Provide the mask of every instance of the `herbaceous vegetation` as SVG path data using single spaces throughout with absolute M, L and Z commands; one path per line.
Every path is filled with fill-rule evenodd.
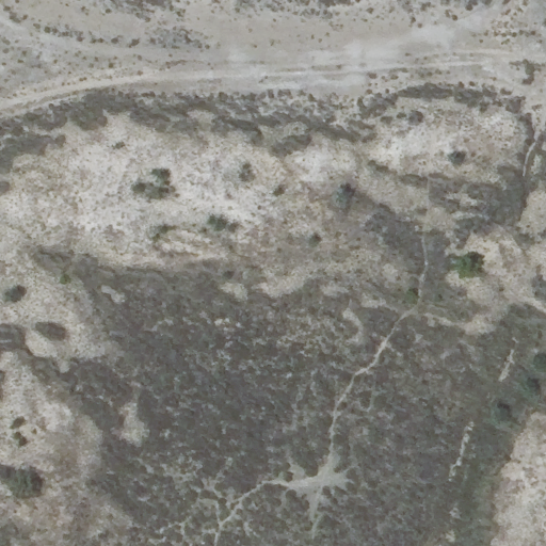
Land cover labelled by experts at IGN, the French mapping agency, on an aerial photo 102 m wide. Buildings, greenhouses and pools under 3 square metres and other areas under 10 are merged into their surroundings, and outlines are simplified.
M 422 21 L 416 19 L 416 15 L 433 9 L 439 2 L 456 2 L 459 6 L 473 11 L 478 4 L 488 6 L 493 0 L 397 0 L 407 13 L 410 23 L 414 28 L 424 28 Z
M 546 303 L 546 279 L 544 279 L 544 277 L 533 277 L 533 279 L 531 279 L 531 288 L 533 288 L 533 294 L 535 294 L 535 296 L 537 296 L 540 301 L 544 301 L 544 303 Z
M 156 13 L 158 6 L 177 17 L 183 17 L 186 11 L 175 6 L 173 0 L 102 0 L 105 13 L 132 13 L 143 21 L 149 21 L 151 13 Z
M 493 115 L 499 109 L 510 111 L 514 119 L 525 126 L 527 134 L 518 151 L 518 166 L 499 166 L 499 179 L 495 183 L 476 183 L 465 177 L 448 177 L 444 173 L 401 173 L 397 168 L 390 168 L 388 164 L 373 160 L 369 154 L 378 143 L 378 130 L 371 124 L 367 124 L 367 117 L 378 117 L 386 126 L 399 119 L 422 124 L 420 111 L 399 113 L 392 117 L 388 115 L 386 109 L 395 107 L 401 98 L 452 98 L 486 115 Z M 213 132 L 220 137 L 226 137 L 228 132 L 237 130 L 245 132 L 250 145 L 275 156 L 284 171 L 284 179 L 273 192 L 273 207 L 279 207 L 282 220 L 264 218 L 262 224 L 256 224 L 250 230 L 247 243 L 232 241 L 232 235 L 239 230 L 239 222 L 226 220 L 222 215 L 211 215 L 205 224 L 179 222 L 156 226 L 151 237 L 151 250 L 160 258 L 164 258 L 162 267 L 113 267 L 100 262 L 100 258 L 96 258 L 94 254 L 55 252 L 53 247 L 43 245 L 21 245 L 17 250 L 15 260 L 0 260 L 0 546 L 491 546 L 501 529 L 497 523 L 495 495 L 503 480 L 503 469 L 495 465 L 491 473 L 484 476 L 480 471 L 478 459 L 465 459 L 465 448 L 473 431 L 473 422 L 469 422 L 467 414 L 461 412 L 461 392 L 467 392 L 467 382 L 463 380 L 465 371 L 480 373 L 484 369 L 480 360 L 480 350 L 476 348 L 478 335 L 495 331 L 493 326 L 503 318 L 510 305 L 514 305 L 505 294 L 501 277 L 484 271 L 480 277 L 461 277 L 456 273 L 461 269 L 461 258 L 465 254 L 471 254 L 467 250 L 469 237 L 486 237 L 488 232 L 493 232 L 495 226 L 503 226 L 505 232 L 518 245 L 533 245 L 533 235 L 523 232 L 520 228 L 520 218 L 527 209 L 531 192 L 546 192 L 546 130 L 540 137 L 535 137 L 531 115 L 523 111 L 525 98 L 516 98 L 510 90 L 495 87 L 465 90 L 465 83 L 431 83 L 399 90 L 388 96 L 375 94 L 371 105 L 365 105 L 363 98 L 358 98 L 358 113 L 352 115 L 352 119 L 348 119 L 346 128 L 333 126 L 335 113 L 346 109 L 346 105 L 339 102 L 337 92 L 326 94 L 324 98 L 316 98 L 307 90 L 267 90 L 256 94 L 222 92 L 218 96 L 200 98 L 181 92 L 128 94 L 113 85 L 87 90 L 83 100 L 55 105 L 53 113 L 45 113 L 43 109 L 38 109 L 34 113 L 15 115 L 9 119 L 0 115 L 0 175 L 13 164 L 17 156 L 45 156 L 47 149 L 64 147 L 66 137 L 51 137 L 53 128 L 75 124 L 81 130 L 98 130 L 107 128 L 109 119 L 119 113 L 128 113 L 134 124 L 151 128 L 154 132 L 164 137 L 177 132 L 190 134 L 198 130 Z M 324 194 L 339 190 L 346 194 L 346 205 L 339 207 L 337 213 L 333 213 L 326 207 Z
M 531 414 L 525 429 L 531 433 L 546 433 L 546 414 Z

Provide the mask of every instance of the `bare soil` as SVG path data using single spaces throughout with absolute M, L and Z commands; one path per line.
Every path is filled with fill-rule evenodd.
M 378 130 L 378 143 L 369 154 L 373 160 L 388 164 L 390 168 L 397 168 L 401 173 L 444 173 L 448 177 L 465 177 L 476 183 L 495 183 L 499 179 L 499 166 L 518 166 L 518 151 L 527 134 L 525 126 L 514 119 L 510 111 L 499 109 L 493 115 L 486 115 L 452 98 L 401 98 L 395 107 L 386 109 L 388 115 L 392 117 L 399 113 L 420 111 L 422 124 L 399 119 L 386 126 L 378 117 L 367 117 L 367 124 L 371 124 Z
M 535 296 L 535 294 L 533 294 L 533 288 L 531 288 L 531 279 L 533 279 L 533 277 L 544 277 L 544 279 L 546 279 L 546 192 L 531 192 L 527 209 L 520 218 L 520 228 L 523 232 L 533 235 L 533 245 L 518 245 L 505 232 L 503 226 L 495 226 L 493 232 L 488 232 L 486 237 L 469 237 L 467 250 L 471 254 L 476 252 L 484 258 L 484 271 L 501 277 L 505 294 L 514 305 L 527 303 L 537 311 L 546 314 L 546 303 L 544 303 L 544 301 L 540 301 L 537 296 Z
M 239 230 L 232 235 L 232 241 L 247 243 L 250 230 L 256 224 L 262 224 L 264 218 L 282 220 L 279 207 L 273 207 L 273 192 L 284 179 L 284 171 L 275 156 L 250 145 L 245 132 L 237 130 L 228 132 L 226 137 L 220 137 L 213 132 L 198 130 L 190 134 L 177 132 L 164 137 L 154 132 L 151 128 L 134 124 L 128 113 L 119 113 L 109 119 L 107 128 L 98 130 L 81 130 L 75 124 L 53 128 L 51 137 L 66 137 L 64 147 L 47 149 L 45 156 L 17 156 L 13 164 L 0 175 L 0 260 L 15 260 L 17 250 L 21 245 L 43 245 L 53 247 L 55 252 L 94 254 L 96 258 L 100 258 L 100 262 L 113 267 L 162 267 L 164 258 L 160 258 L 151 250 L 151 237 L 156 226 L 179 222 L 205 224 L 211 215 L 222 215 L 226 220 L 239 222 Z M 154 168 L 166 168 L 171 173 L 171 183 L 177 188 L 162 200 L 147 200 L 132 192 L 137 181 L 158 186 L 160 179 L 154 175 Z
M 43 109 L 45 113 L 53 113 L 55 105 L 83 100 L 87 90 L 113 85 L 128 94 L 181 92 L 200 98 L 218 96 L 222 92 L 256 94 L 267 90 L 307 90 L 316 98 L 324 98 L 326 94 L 337 92 L 339 102 L 346 105 L 346 109 L 335 113 L 333 126 L 346 128 L 348 119 L 352 119 L 352 115 L 358 113 L 358 98 L 363 98 L 365 105 L 371 105 L 375 94 L 388 96 L 399 90 L 431 83 L 465 83 L 465 90 L 495 87 L 510 90 L 516 98 L 525 98 L 523 111 L 531 115 L 535 137 L 540 137 L 546 130 L 546 0 L 493 0 L 488 6 L 478 4 L 473 11 L 459 6 L 456 2 L 439 2 L 433 9 L 416 15 L 416 19 L 422 21 L 424 28 L 414 28 L 410 23 L 407 13 L 397 0 L 173 0 L 175 6 L 186 11 L 183 17 L 177 17 L 158 6 L 156 13 L 151 13 L 149 21 L 143 21 L 132 13 L 105 13 L 102 0 L 0 0 L 0 115 L 9 119 L 15 115 L 34 113 L 38 109 Z
M 503 480 L 495 495 L 497 523 L 501 529 L 491 546 L 546 546 L 546 433 L 531 433 L 525 429 L 516 437 L 510 463 L 503 469 Z

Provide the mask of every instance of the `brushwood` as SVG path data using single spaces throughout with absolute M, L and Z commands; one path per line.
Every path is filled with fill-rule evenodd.
M 158 186 L 137 181 L 132 192 L 147 200 L 162 200 L 177 188 L 171 183 L 171 173 L 166 168 L 154 168 L 154 175 L 160 179 Z
M 346 205 L 346 194 L 339 190 L 324 194 L 326 207 L 333 213 L 337 213 L 339 207 Z
M 461 269 L 456 273 L 461 277 L 480 277 L 484 271 L 484 258 L 476 252 L 471 254 L 465 254 L 461 258 Z
M 461 392 L 461 412 L 467 414 L 469 422 L 473 422 L 473 431 L 465 448 L 465 459 L 478 459 L 480 471 L 484 476 L 491 473 L 495 465 L 503 469 L 510 463 L 516 437 L 525 429 L 531 414 L 546 414 L 546 314 L 537 311 L 527 303 L 514 305 L 510 305 L 503 318 L 493 326 L 495 331 L 478 335 L 476 348 L 480 350 L 480 360 L 484 369 L 480 373 L 465 371 L 463 380 L 467 382 L 467 392 Z

